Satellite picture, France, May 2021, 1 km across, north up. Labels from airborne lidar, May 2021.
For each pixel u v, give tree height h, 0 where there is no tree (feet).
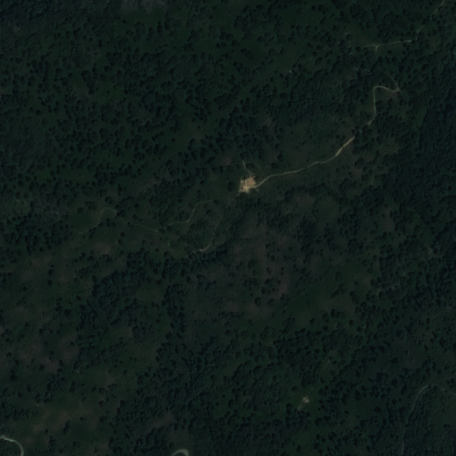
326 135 18
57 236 60
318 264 0
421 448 22
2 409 60
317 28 43
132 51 62
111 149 49
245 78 39
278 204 23
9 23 67
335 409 70
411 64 55
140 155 61
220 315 23
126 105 74
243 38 26
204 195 25
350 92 46
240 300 0
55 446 66
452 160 41
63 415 0
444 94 73
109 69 76
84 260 54
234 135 46
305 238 39
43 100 76
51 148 52
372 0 25
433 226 56
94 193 33
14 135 33
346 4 36
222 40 53
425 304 61
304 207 0
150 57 78
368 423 79
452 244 57
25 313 0
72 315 83
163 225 47
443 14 63
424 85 29
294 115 26
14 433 23
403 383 30
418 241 46
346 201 62
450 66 39
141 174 60
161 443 38
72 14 34
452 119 70
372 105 0
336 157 0
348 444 67
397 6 53
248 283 29
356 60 61
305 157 0
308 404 0
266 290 49
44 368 60
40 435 0
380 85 31
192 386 48
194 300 0
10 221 71
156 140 72
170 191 25
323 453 67
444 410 31
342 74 30
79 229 0
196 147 50
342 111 46
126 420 38
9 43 56
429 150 77
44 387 0
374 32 0
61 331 27
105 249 0
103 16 28
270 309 0
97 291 61
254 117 21
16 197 52
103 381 0
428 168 81
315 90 24
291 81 19
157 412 34
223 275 0
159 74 66
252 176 0
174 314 77
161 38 82
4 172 45
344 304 0
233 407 54
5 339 36
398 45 0
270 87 58
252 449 55
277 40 36
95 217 0
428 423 27
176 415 36
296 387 61
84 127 46
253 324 30
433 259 42
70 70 55
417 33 51
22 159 49
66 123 55
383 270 62
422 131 73
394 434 23
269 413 63
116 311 52
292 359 58
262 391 65
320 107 18
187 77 65
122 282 85
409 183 65
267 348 49
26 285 19
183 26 73
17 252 36
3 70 64
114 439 51
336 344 80
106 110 51
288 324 54
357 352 50
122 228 0
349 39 61
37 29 22
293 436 40
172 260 54
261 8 74
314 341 69
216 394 24
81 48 83
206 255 71
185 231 0
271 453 51
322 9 57
